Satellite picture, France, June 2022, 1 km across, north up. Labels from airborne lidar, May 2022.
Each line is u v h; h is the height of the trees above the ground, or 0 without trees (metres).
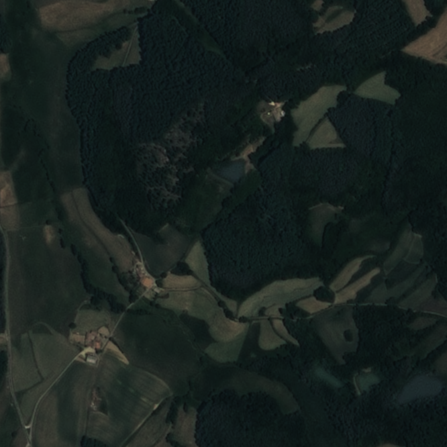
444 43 0
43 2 0
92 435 0
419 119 17
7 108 0
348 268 0
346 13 0
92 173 21
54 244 0
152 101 35
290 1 26
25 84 0
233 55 21
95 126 22
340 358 0
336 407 21
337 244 11
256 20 23
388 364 18
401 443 15
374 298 0
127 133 25
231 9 28
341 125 22
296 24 24
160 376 0
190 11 0
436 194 21
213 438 22
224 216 8
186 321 0
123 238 0
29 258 0
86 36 0
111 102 22
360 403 25
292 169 21
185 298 0
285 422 23
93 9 0
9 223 0
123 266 0
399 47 14
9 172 0
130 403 0
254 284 16
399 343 24
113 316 0
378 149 33
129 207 23
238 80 31
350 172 25
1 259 21
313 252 22
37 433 0
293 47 21
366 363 25
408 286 0
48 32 0
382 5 15
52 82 0
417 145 25
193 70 35
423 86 17
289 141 22
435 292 9
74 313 0
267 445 23
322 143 0
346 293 0
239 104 14
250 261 29
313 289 0
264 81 20
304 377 18
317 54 16
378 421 18
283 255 30
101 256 0
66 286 0
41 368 0
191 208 7
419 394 0
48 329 0
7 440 0
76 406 0
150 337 0
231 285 16
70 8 0
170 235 0
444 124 20
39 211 0
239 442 24
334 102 0
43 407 0
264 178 17
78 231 0
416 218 18
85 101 19
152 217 17
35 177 0
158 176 16
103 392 0
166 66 25
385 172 7
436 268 9
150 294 0
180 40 20
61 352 0
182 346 0
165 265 0
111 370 0
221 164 18
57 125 0
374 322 9
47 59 0
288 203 22
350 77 28
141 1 0
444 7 7
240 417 24
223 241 28
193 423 0
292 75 18
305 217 23
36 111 0
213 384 0
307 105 0
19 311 0
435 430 22
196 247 0
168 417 7
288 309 7
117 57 0
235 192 17
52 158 0
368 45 18
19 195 0
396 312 7
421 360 7
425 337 16
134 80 33
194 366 0
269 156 15
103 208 22
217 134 20
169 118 34
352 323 0
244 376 0
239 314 0
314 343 10
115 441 0
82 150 17
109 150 33
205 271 0
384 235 0
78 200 0
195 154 20
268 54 9
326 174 27
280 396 0
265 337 0
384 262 0
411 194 20
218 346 0
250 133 18
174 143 21
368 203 21
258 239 22
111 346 0
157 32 34
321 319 0
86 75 20
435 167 21
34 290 0
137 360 0
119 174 23
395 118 35
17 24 0
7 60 0
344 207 6
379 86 0
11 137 0
